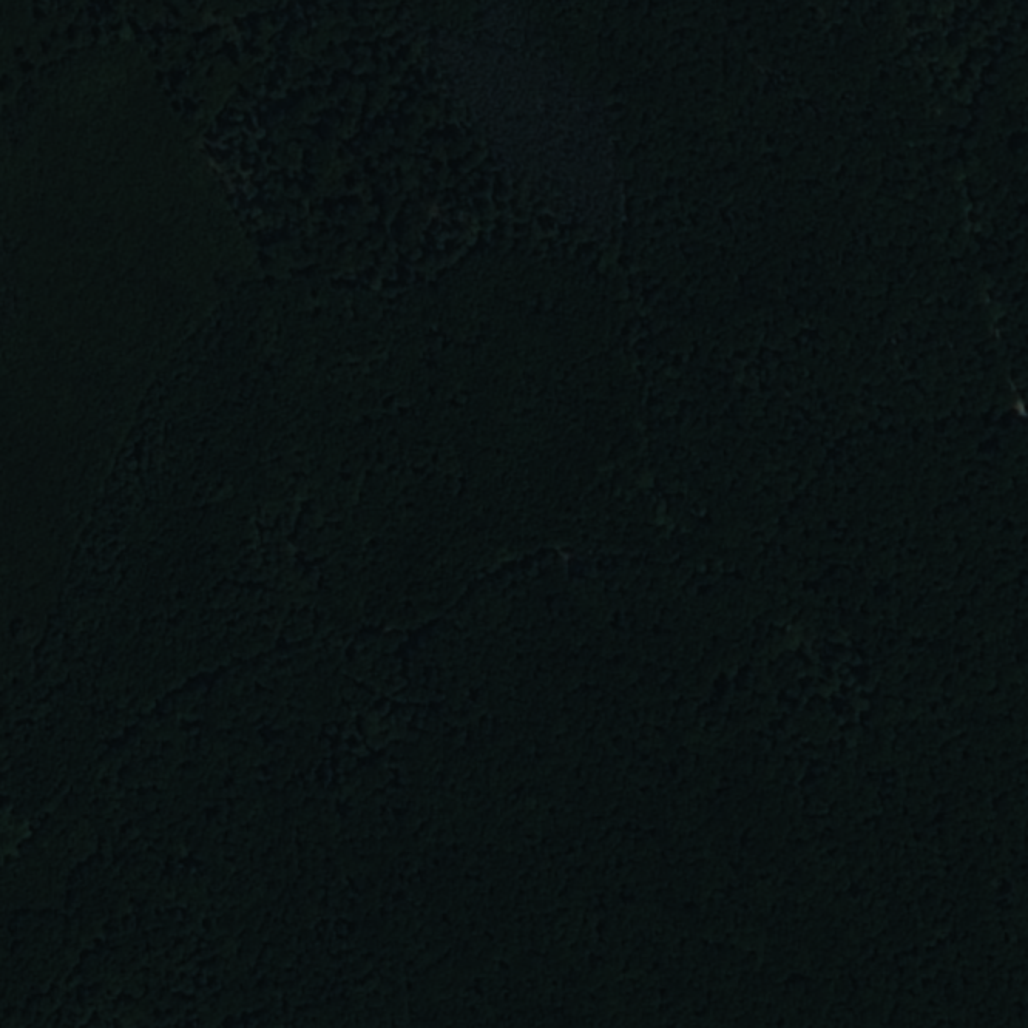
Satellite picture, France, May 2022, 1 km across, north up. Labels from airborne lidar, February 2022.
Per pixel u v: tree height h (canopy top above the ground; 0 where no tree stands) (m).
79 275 20
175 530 26
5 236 21
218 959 31
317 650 30
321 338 26
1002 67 32
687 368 31
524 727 31
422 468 25
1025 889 34
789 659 34
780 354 31
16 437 20
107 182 21
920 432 32
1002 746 34
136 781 29
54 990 23
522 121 26
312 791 33
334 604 28
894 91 29
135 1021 19
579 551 21
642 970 31
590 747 31
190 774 33
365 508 29
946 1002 34
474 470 23
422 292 28
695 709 30
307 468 28
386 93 33
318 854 27
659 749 30
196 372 25
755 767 30
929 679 35
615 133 26
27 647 22
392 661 31
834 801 31
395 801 28
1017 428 30
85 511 20
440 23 23
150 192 19
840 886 32
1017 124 30
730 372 31
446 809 34
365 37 28
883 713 32
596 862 29
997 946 34
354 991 31
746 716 31
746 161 29
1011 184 30
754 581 32
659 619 31
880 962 31
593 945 32
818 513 31
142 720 32
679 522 29
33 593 23
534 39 25
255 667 33
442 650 28
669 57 27
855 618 33
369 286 28
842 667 32
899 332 32
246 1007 30
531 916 30
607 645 28
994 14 34
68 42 21
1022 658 29
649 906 32
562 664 31
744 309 31
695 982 33
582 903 31
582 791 31
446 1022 28
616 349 28
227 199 27
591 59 25
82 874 26
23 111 17
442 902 30
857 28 31
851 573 31
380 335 26
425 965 30
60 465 20
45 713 26
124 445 20
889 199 33
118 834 23
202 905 26
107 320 18
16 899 19
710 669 31
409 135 31
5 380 20
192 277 19
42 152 20
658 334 31
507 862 32
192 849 31
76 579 20
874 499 34
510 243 10
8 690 23
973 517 34
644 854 28
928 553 32
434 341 28
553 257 23
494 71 24
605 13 27
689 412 32
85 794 25
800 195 30
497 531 23
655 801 32
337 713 34
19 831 27
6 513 19
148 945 26
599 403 26
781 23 27
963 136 30
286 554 26
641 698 30
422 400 29
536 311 20
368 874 30
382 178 17
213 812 31
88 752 26
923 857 33
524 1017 30
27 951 25
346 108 34
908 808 35
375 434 27
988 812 33
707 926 30
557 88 27
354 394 27
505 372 22
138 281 21
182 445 26
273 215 30
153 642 25
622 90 27
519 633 32
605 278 24
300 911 34
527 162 26
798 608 33
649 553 28
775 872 32
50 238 21
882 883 31
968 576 33
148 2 6
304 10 31
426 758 29
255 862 31
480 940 29
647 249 27
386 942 31
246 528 26
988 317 30
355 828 32
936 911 32
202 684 21
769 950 34
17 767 29
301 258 29
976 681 33
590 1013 32
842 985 32
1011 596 30
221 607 27
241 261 18
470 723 27
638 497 29
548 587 30
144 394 19
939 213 33
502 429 19
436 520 28
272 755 33
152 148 21
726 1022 31
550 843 31
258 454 26
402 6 20
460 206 26
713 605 32
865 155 31
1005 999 33
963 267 30
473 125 27
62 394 21
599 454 24
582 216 28
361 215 34
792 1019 32
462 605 27
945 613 33
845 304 31
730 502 30
